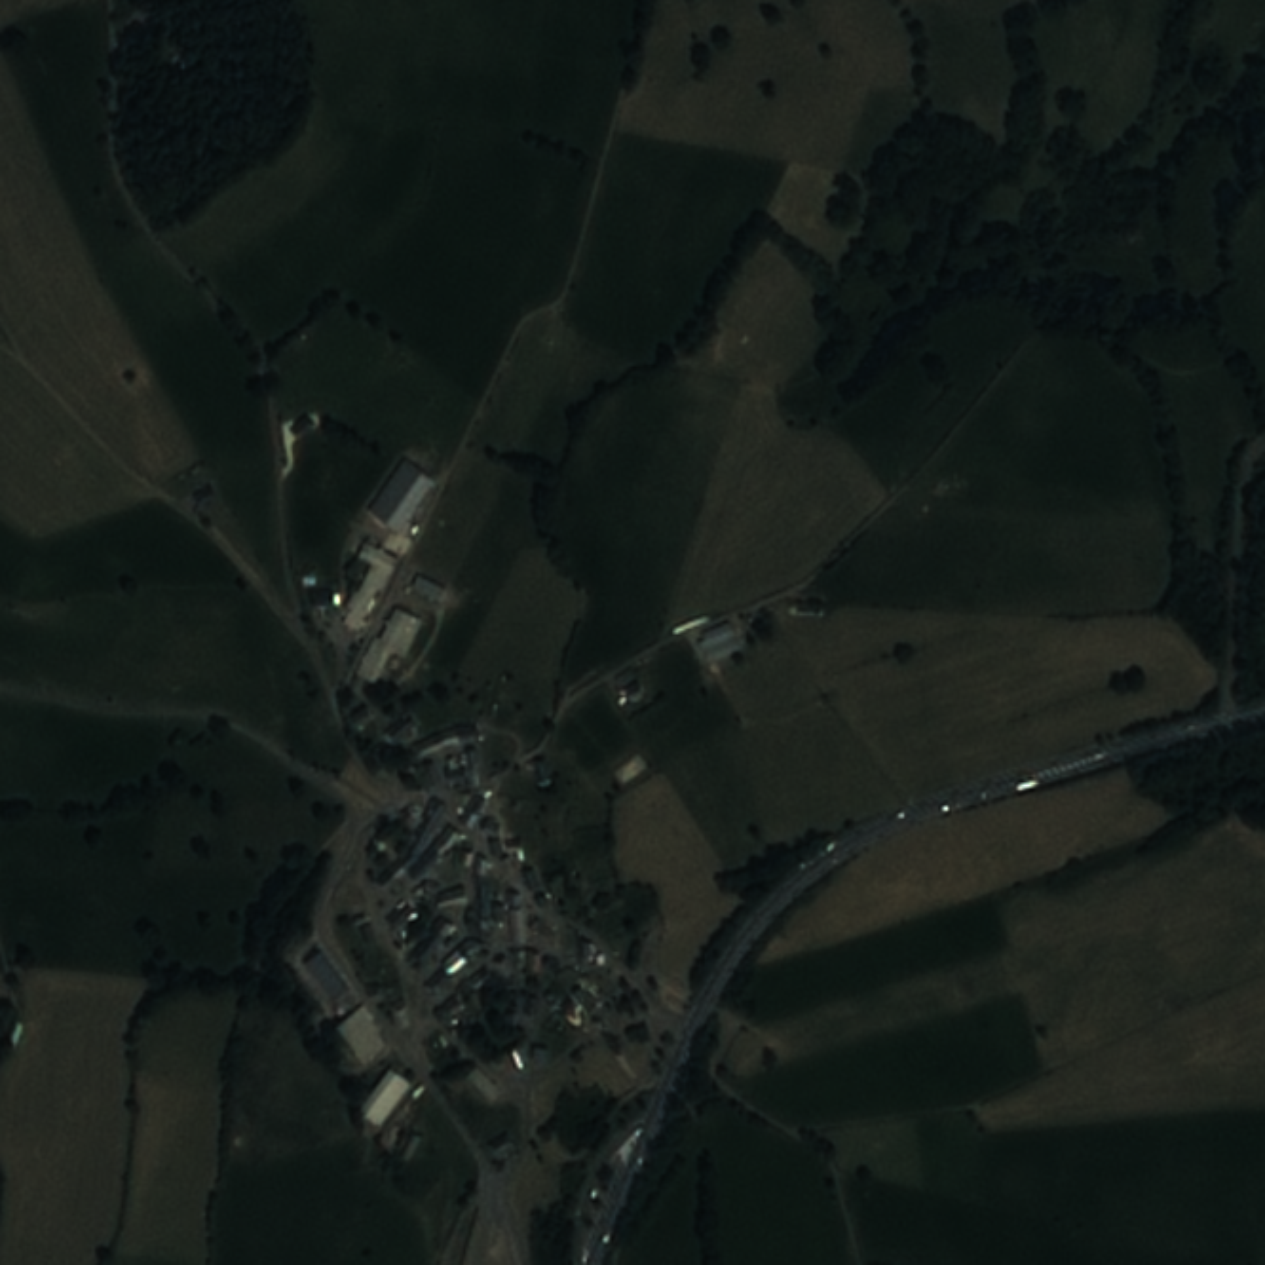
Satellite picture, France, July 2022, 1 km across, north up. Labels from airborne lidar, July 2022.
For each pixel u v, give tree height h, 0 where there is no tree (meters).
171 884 0
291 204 0
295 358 0
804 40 0
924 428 0
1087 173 15
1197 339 0
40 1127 0
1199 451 0
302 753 0
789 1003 0
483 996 12
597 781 0
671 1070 0
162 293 0
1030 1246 0
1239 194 19
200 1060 0
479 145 0
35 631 0
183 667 0
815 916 0
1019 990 0
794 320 0
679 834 0
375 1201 0
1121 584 0
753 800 0
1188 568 22
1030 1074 0
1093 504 0
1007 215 0
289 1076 0
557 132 0
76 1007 0
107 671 0
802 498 0
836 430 0
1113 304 27
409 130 0
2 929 0
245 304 0
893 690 0
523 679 0
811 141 0
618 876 6
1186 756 17
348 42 0
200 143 21
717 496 0
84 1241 0
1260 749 19
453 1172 0
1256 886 0
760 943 8
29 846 0
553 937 0
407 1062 0
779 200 0
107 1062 0
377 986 6
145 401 0
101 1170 0
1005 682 0
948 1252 0
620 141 0
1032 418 0
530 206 0
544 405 0
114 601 0
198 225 0
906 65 0
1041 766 0
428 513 0
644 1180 12
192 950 0
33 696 0
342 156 0
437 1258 0
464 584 0
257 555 0
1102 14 0
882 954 0
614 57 0
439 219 0
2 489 0
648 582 0
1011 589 0
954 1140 0
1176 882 0
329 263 0
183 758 0
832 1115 0
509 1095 0
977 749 0
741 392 0
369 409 0
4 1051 15
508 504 0
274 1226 0
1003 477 0
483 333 0
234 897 0
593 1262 0
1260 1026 0
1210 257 0
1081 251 6
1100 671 0
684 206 0
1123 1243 0
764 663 0
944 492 0
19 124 0
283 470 0
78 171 0
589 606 0
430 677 0
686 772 0
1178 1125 0
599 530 0
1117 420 0
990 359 0
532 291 0
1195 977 0
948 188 18
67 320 0
